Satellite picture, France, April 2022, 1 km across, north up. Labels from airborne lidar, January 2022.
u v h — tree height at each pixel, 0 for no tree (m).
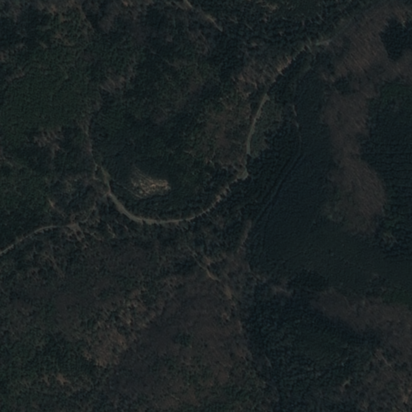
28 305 9
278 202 20
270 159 27
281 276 25
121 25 13
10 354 7
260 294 16
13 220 10
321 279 19
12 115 16
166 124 14
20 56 12
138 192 7
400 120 15
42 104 17
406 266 12
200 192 14
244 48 23
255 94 24
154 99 9
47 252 26
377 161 18
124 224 16
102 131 22
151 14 11
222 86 12
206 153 10
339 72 17
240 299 12
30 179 15
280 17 12
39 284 8
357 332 13
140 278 11
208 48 28
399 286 10
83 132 16
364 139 11
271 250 19
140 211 20
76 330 9
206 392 10
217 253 35
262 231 22
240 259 23
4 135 13
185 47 8
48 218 23
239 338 16
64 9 30
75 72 15
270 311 16
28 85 18
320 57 18
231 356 16
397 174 21
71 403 10
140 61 13
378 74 11
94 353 12
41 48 14
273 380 21
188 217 23
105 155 17
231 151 11
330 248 9
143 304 12
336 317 15
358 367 20
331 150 19
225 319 9
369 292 11
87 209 17
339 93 19
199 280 14
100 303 9
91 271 8
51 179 14
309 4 10
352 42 18
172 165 9
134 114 14
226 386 11
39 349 12
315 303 16
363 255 13
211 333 10
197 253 11
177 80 13
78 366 12
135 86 9
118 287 9
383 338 13
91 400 13
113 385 10
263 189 26
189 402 13
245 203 31
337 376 22
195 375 7
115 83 21
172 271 10
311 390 21
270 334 26
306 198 19
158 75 9
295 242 15
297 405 29
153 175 10
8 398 10
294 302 12
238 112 10
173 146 13
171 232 18
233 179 30
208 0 20
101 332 18
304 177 21
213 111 6
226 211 33
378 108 9
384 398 11
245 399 14
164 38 10
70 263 8
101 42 16
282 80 24
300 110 16
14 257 9
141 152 11
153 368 9
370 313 18
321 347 9
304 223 17
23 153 10
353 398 23
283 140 29
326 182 17
